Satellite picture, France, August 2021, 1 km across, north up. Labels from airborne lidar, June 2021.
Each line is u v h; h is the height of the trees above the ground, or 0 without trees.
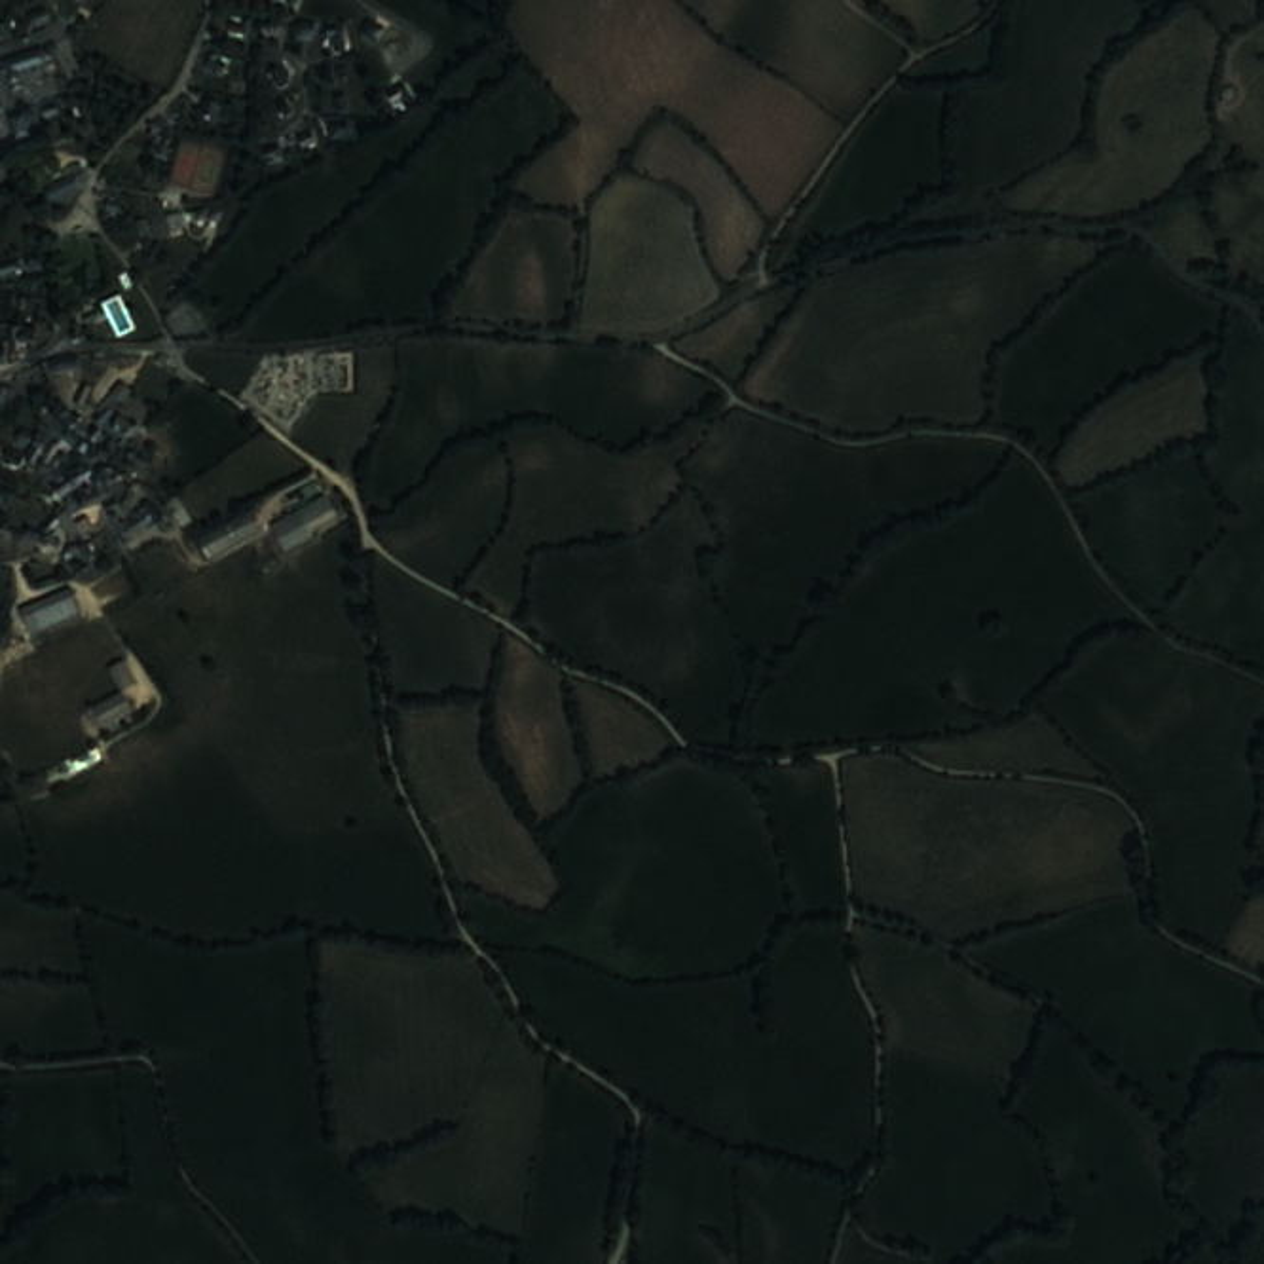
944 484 0
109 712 0
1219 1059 10
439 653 0
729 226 0
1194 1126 8
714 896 0
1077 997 0
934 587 0
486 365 0
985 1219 0
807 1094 0
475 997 0
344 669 0
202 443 0
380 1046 0
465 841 0
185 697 0
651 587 0
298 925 11
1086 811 0
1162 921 20
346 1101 0
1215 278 13
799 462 0
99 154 10
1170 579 0
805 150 0
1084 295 0
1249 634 0
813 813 0
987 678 0
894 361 0
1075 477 0
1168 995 0
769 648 0
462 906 7
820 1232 0
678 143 0
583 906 0
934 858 0
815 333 0
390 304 0
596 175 0
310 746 0
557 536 0
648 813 0
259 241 0
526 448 0
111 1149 0
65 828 0
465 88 0
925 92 9
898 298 0
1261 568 0
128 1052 11
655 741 0
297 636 0
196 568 0
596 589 0
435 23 0
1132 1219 0
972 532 0
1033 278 0
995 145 0
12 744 0
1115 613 0
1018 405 0
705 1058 0
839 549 0
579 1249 0
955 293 0
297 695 0
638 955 0
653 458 0
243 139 9
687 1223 0
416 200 0
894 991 0
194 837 0
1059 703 0
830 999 0
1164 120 0
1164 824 0
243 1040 0
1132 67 0
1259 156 0
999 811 0
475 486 0
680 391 0
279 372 0
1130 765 0
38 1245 0
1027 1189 0
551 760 0
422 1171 0
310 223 0
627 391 0
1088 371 0
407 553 0
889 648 0
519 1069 0
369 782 0
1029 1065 13
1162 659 0
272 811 0
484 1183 0
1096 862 0
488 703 7
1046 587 0
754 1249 0
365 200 9
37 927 0
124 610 0
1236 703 0
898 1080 0
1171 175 0
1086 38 0
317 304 0
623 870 0
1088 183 0
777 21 0
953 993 0
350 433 0
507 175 7
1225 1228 0
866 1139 0
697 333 0
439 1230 12
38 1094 0
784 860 6
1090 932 0
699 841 0
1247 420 0
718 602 8
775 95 0
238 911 0
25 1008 0
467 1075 0
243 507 9
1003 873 0
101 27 0
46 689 0
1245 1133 0
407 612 0
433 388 0
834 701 0
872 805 0
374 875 0
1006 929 11
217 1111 0
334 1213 0
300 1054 0
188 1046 0
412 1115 0
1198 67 0
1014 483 0
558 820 9
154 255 7
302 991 0
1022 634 0
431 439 0
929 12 0
